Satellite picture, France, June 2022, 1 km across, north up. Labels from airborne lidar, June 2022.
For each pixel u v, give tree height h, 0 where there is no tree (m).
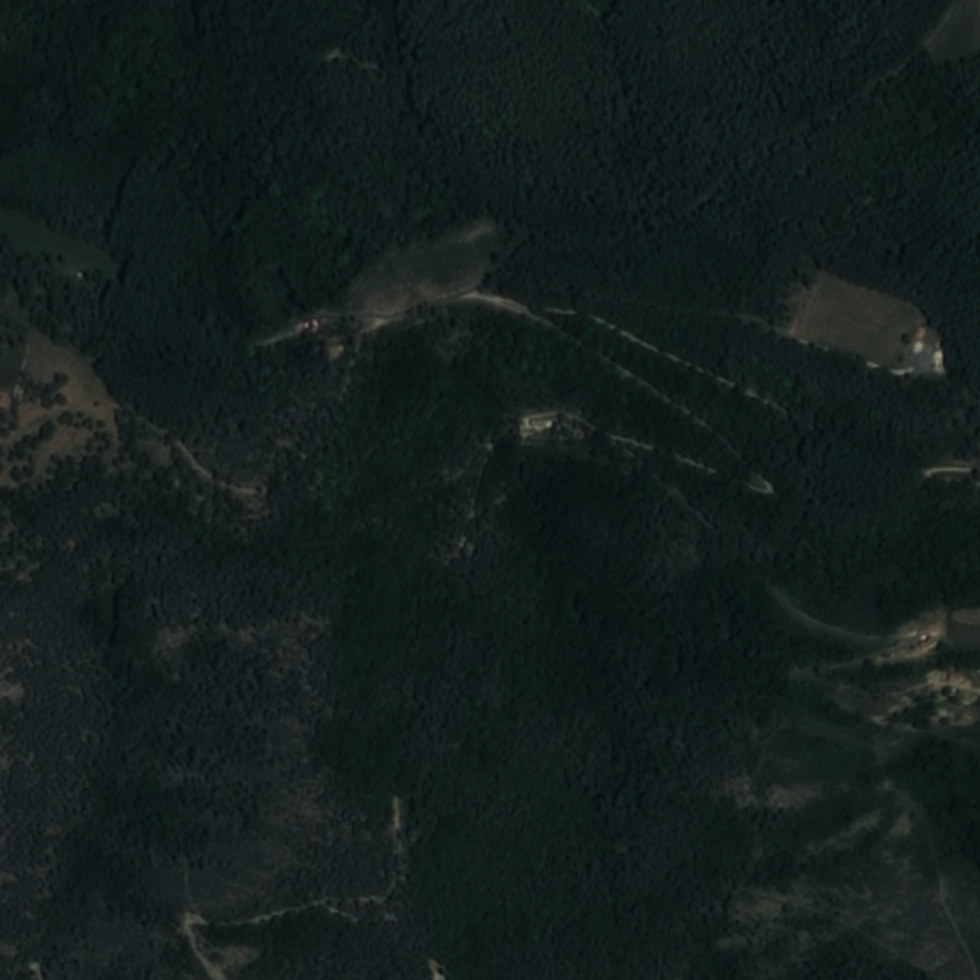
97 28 24
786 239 14
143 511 15
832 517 18
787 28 21
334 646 15
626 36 20
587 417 9
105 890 7
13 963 13
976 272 23
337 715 7
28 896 12
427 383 14
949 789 6
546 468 15
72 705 12
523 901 20
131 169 19
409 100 14
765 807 9
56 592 13
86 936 10
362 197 10
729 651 14
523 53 19
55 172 22
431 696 26
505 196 16
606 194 23
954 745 7
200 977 0
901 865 0
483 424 11
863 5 20
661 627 19
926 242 20
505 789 14
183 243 31
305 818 7
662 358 12
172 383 23
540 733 15
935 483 13
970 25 0
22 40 9
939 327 15
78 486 16
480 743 17
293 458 16
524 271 11
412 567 6
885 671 8
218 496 9
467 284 0
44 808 11
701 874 19
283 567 17
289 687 8
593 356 15
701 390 10
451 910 18
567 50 22
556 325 13
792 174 19
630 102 24
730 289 12
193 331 28
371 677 17
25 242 0
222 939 12
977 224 27
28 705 14
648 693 23
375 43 17
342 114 20
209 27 17
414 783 17
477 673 22
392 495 14
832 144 19
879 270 18
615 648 26
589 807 14
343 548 12
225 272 24
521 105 15
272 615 20
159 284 27
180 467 9
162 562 22
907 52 17
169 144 20
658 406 10
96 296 9
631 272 19
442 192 18
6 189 16
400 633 19
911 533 12
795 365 17
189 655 11
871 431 14
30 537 5
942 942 0
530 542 18
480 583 19
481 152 13
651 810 23
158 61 22
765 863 8
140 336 27
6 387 0
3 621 13
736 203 16
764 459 13
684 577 9
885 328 0
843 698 0
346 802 14
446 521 11
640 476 13
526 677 20
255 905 7
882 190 8
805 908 0
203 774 10
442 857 21
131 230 28
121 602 17
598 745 21
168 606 15
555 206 22
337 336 9
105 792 12
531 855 18
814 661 14
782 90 23
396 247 10
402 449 20
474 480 7
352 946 17
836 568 13
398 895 11
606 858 26
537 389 6
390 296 0
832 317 0
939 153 14
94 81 22
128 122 20
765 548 13
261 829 7
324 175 15
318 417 12
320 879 13
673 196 21
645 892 17
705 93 12
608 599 22
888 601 12
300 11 9
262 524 13
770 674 10
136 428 10
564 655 17
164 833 10
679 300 13
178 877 0
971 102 18
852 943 14
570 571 25
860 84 14
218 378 20
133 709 24
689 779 17
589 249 24
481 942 21
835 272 22
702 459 15
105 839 9
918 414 13
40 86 25
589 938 26
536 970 26
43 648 12
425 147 21
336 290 15
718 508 13
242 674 13
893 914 0
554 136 19
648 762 13
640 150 19
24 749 10
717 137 7
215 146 30
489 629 22
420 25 21
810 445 25
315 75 11
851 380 10
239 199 17
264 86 18
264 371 18
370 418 13
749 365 13
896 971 7
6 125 22
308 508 12
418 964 15
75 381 0
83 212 18
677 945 15
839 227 12
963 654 10
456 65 18
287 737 0
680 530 9
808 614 0
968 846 11
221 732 14
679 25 15
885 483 30
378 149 20
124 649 23
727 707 10
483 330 8
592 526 21
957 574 16
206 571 18
